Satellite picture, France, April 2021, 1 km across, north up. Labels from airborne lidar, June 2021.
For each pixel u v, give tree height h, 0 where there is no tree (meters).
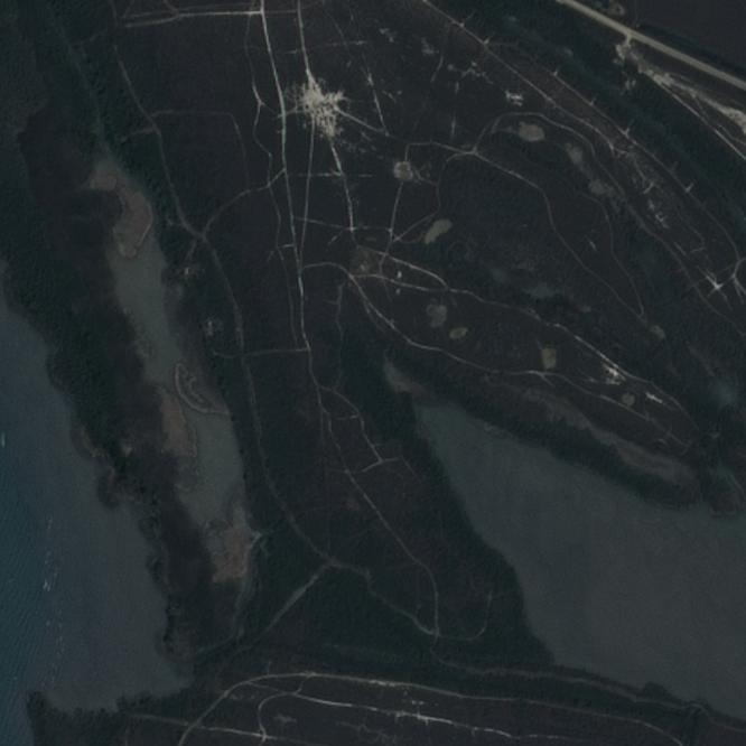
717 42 0
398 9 0
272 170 0
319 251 0
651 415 0
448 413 0
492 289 6
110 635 0
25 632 0
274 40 0
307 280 0
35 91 6
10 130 6
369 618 7
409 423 5
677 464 0
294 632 0
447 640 6
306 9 0
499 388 0
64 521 0
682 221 0
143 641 0
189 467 0
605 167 0
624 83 6
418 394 0
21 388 0
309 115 0
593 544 0
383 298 0
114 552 0
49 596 0
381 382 6
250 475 6
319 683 0
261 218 0
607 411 0
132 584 0
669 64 0
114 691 0
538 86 0
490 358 0
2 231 6
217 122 0
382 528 0
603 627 0
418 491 0
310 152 0
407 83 0
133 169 9
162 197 11
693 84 0
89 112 6
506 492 0
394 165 0
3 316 0
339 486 0
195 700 6
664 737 0
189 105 0
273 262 0
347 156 0
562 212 0
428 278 0
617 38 0
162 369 0
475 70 0
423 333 0
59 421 0
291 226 0
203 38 0
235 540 0
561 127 0
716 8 0
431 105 0
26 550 0
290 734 0
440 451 0
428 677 6
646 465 0
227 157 0
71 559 0
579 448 6
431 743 0
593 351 0
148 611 0
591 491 0
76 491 0
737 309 0
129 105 6
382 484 0
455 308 0
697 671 0
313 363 0
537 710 0
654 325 0
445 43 0
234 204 0
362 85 0
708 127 0
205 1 0
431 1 0
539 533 0
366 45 0
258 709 0
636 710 6
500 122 0
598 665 0
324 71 0
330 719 0
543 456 0
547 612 0
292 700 0
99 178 0
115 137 8
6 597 0
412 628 6
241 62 0
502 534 0
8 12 6
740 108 0
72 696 0
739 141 0
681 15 0
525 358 0
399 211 0
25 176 5
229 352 7
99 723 6
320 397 0
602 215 0
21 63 7
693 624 0
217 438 0
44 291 6
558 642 0
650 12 0
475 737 0
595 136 0
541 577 0
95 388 6
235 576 0
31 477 0
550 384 0
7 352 0
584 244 0
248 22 0
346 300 0
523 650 6
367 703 0
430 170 0
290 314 0
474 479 0
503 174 0
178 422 0
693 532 0
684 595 0
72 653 0
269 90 0
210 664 8
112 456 10
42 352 0
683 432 0
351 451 0
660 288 0
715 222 0
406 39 0
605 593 0
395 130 0
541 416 0
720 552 0
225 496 0
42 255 7
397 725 0
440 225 0
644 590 0
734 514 0
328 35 0
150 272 0
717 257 0
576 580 0
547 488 0
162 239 6
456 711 0
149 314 0
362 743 0
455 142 0
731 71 0
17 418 0
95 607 0
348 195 0
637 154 0
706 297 0
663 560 0
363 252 0
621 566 0
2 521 0
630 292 0
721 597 0
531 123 0
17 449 0
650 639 0
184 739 0
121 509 0
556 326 0
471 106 0
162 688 0
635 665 0
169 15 0
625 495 0
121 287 0
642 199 0
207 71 0
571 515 0
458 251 0
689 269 0
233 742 0
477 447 0
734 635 0
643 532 0
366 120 0
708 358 0
